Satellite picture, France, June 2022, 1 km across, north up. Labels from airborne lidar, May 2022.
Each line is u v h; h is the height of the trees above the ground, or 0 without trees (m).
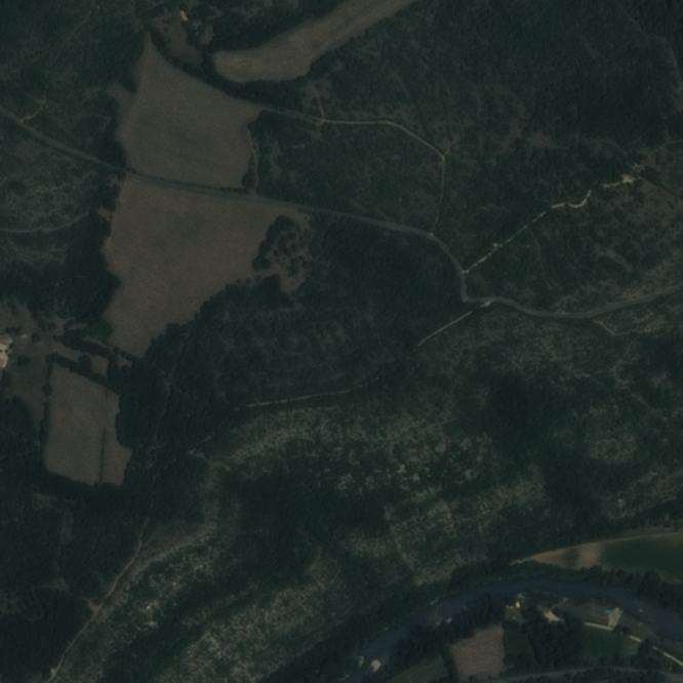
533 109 9
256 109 0
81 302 9
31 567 10
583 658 6
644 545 0
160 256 0
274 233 14
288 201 9
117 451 0
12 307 11
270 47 0
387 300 7
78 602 7
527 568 23
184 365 12
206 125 0
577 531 12
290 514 15
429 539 10
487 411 6
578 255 6
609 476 9
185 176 0
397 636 0
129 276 0
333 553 9
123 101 0
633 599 0
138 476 11
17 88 6
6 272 6
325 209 8
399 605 18
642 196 8
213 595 9
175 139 0
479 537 7
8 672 8
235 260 0
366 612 8
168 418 13
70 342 14
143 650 8
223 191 8
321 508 9
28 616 17
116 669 8
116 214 0
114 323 0
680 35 14
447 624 11
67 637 9
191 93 0
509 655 9
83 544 9
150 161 0
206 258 0
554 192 6
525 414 16
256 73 0
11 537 9
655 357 8
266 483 8
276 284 10
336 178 7
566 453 10
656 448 8
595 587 0
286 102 11
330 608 8
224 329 8
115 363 13
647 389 9
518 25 9
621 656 21
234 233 0
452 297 5
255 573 8
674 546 0
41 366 0
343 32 0
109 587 0
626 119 9
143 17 6
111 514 10
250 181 6
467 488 8
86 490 19
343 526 9
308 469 7
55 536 10
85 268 8
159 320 0
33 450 11
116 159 11
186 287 0
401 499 7
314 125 7
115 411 0
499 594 0
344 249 7
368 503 10
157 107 0
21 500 9
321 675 6
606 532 15
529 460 10
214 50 11
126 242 0
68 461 0
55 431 0
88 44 6
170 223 0
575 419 8
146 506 8
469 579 20
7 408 14
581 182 5
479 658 0
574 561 0
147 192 0
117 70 11
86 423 0
